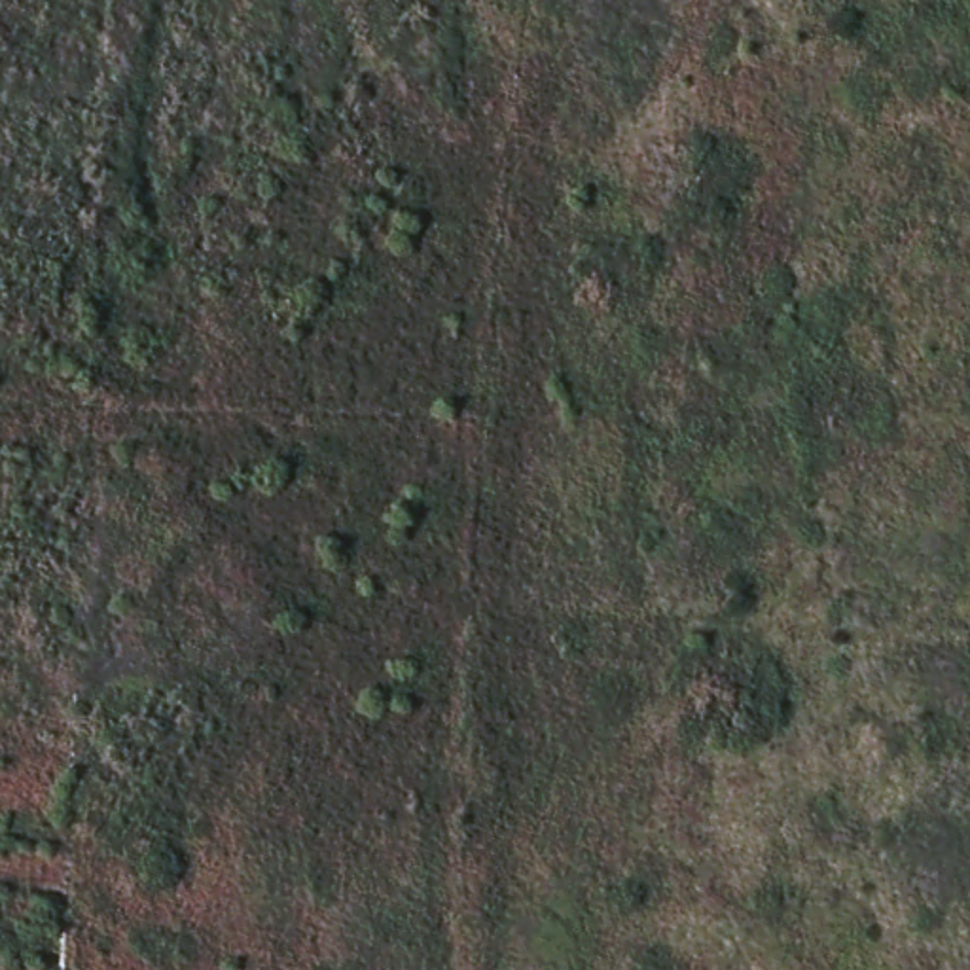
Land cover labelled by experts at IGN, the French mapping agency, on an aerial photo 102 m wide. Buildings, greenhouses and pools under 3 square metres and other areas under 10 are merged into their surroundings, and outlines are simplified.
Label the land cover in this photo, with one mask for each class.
<instances>
[{"label":"herbaceous vegetation","instance_id":"1","mask_svg":"<svg viewBox=\"0 0 970 970\"><path fill-rule=\"evenodd\" d=\"M0 970H970V0H0Z\"/></svg>","mask_w":970,"mask_h":970}]
</instances>
